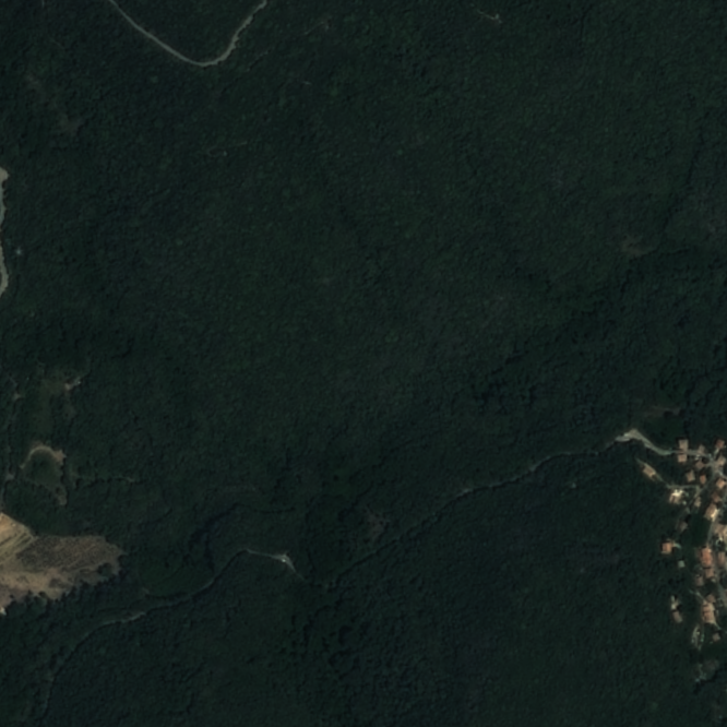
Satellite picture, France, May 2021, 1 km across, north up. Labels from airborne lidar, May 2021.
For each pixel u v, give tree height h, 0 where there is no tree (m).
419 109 9
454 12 9
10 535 0
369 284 19
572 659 7
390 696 13
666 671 15
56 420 8
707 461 10
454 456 14
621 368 15
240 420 9
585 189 12
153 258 10
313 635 22
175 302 11
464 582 11
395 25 18
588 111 8
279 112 8
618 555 18
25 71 12
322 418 21
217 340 6
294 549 7
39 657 23
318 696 17
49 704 8
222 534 18
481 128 11
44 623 16
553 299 9
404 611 16
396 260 8
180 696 16
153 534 18
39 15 15
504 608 7
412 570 17
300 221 9
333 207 14
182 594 13
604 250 12
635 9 11
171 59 9
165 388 21
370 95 6
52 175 7
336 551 19
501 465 16
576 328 21
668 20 7
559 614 11
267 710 17
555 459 9
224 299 8
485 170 13
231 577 12
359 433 12
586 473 10
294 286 9
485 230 6
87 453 10
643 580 12
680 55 10
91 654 10
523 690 7
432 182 6
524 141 10
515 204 13
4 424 12
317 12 7
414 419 17
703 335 18
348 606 18
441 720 9
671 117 11
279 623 19
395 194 7
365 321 6
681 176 8
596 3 8
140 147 10
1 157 16
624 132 11
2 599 0
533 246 7
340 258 14
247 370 11
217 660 14
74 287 16
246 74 6
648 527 16
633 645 15
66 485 11
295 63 6
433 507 16
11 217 13
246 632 15
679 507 6
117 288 10
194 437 17
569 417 16
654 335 15
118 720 7
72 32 15
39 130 16
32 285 10
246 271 11
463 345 7
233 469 10
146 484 14
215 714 16
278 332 8
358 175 9
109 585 17
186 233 6
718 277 21
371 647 16
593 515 10
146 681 15
